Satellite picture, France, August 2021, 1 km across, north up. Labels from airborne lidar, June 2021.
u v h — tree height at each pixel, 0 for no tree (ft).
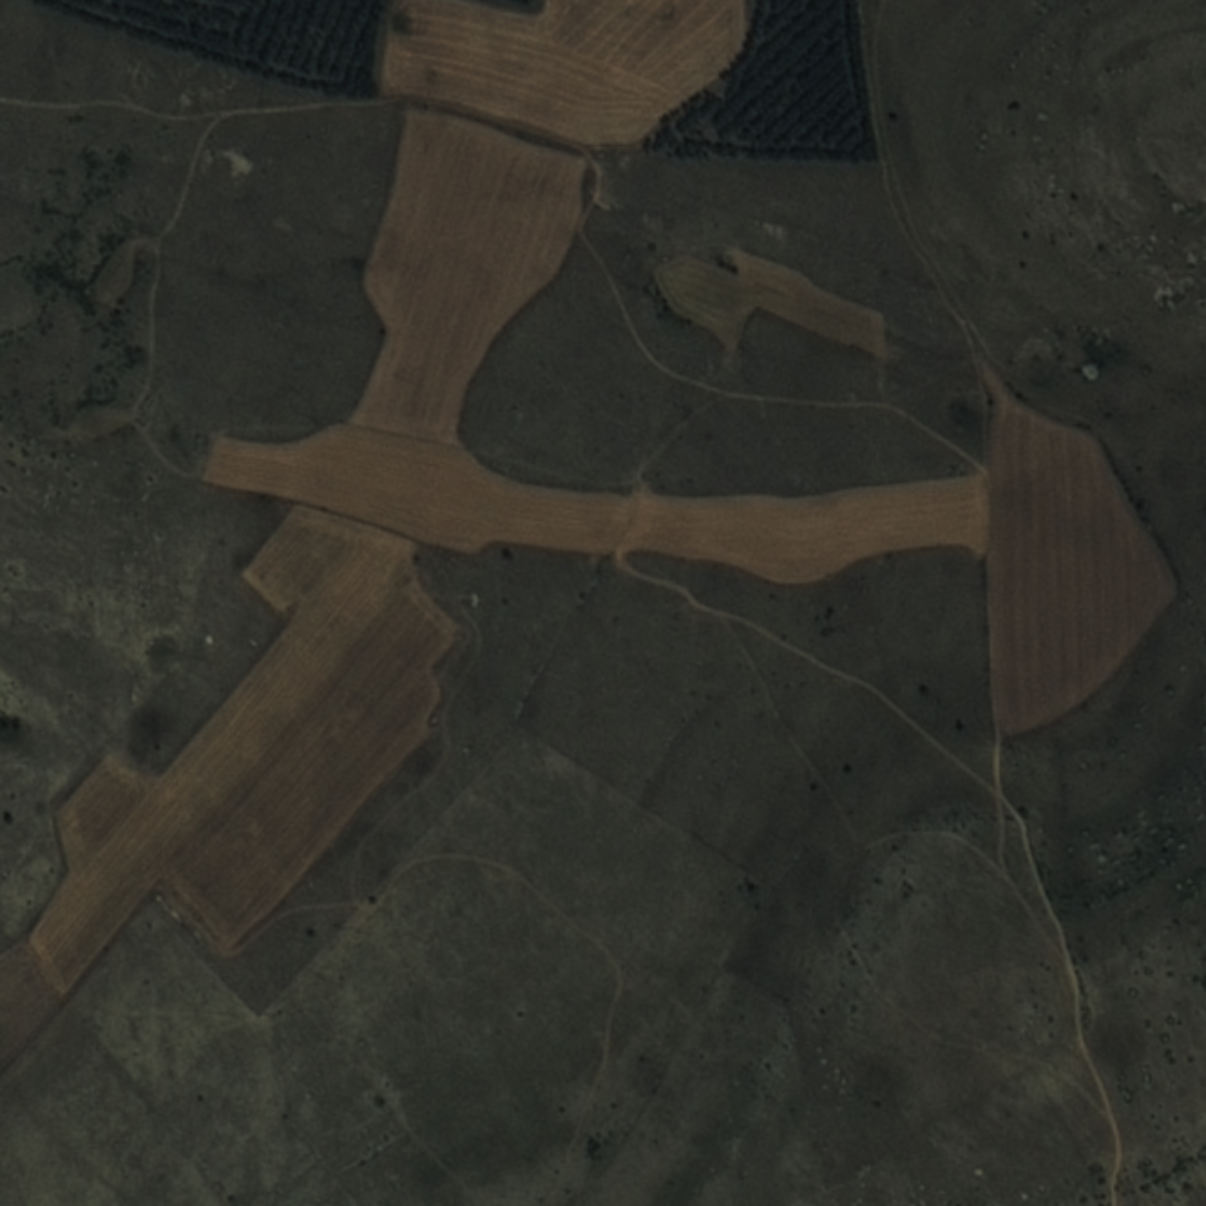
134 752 0
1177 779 0
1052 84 0
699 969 0
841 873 0
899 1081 0
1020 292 0
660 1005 0
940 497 0
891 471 0
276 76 29
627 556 0
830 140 41
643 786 0
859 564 0
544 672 0
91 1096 0
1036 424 0
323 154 0
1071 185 0
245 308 0
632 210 0
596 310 0
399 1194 0
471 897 0
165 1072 0
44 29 0
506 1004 0
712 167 0
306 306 0
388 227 0
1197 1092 0
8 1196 0
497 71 0
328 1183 0
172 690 0
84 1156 0
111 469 0
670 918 0
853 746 0
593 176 0
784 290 0
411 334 0
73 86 0
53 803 0
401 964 0
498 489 0
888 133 0
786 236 0
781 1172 0
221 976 0
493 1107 0
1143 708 0
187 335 0
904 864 0
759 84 40
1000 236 0
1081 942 0
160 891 0
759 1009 0
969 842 0
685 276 0
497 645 0
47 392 0
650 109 0
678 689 0
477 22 0
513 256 0
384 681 0
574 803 0
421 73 0
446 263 0
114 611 0
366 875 0
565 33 0
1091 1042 0
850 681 0
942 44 0
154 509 0
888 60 0
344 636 0
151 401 0
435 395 0
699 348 0
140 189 0
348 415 0
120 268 0
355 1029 0
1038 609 0
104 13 33
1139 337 0
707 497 0
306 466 0
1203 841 0
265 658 0
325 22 36
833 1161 0
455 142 0
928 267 0
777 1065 0
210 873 0
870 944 0
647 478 0
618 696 0
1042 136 0
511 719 0
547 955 0
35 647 0
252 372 0
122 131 0
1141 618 0
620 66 0
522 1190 0
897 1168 0
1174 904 0
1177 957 0
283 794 0
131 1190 0
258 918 0
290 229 0
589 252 0
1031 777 0
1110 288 0
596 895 0
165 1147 0
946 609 0
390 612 0
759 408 0
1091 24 0
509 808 0
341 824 0
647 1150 0
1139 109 0
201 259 0
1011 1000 0
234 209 0
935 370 0
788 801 0
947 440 0
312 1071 0
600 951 0
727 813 0
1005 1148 0
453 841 0
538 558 0
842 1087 0
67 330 0
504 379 0
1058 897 0
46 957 0
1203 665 0
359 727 0
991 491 0
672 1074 0
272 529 0
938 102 0
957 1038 0
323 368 0
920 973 0
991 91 0
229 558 0
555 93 0
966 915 0
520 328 0
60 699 0
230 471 0
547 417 0
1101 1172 0
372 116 0
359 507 0
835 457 0
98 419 0
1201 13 0
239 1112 0
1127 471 0
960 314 0
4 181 0
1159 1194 0
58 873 0
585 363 0
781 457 0
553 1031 0
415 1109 0
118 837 0
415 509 0
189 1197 0
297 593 0
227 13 37
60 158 0
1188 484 0
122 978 0
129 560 0
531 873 0
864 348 0
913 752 0
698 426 0
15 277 0
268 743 0
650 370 0
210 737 0
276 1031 0
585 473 0
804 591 0
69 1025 0
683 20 0
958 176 0
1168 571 0
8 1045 0
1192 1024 0
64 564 0
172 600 0
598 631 0
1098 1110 0
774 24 39
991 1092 0
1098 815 0
